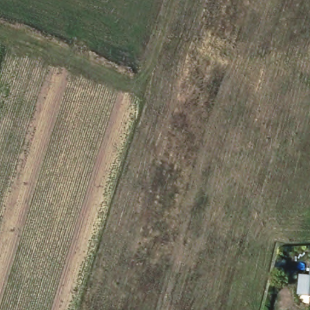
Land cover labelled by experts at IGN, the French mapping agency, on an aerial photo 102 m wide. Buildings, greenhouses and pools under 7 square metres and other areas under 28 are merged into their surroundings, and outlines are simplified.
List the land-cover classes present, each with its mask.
<instances>
[{"label":"agricultural land","instance_id":"1","mask_svg":"<svg viewBox=\"0 0 310 310\"><path fill-rule=\"evenodd\" d=\"M310 242V0H0V310H274L281 291L280 288L272 287L268 280L270 270L276 268L277 262L283 243Z\"/></svg>","mask_w":310,"mask_h":310},{"label":"herbaceous vegetation","instance_id":"2","mask_svg":"<svg viewBox=\"0 0 310 310\"><path fill-rule=\"evenodd\" d=\"M305 256V253H299L286 263L277 262L276 268L285 271L288 282L291 283L281 291L274 310H310V303H304L297 292L298 276L306 274V268L304 263L298 264V260Z\"/></svg>","mask_w":310,"mask_h":310},{"label":"brushwood","instance_id":"3","mask_svg":"<svg viewBox=\"0 0 310 310\"><path fill-rule=\"evenodd\" d=\"M299 253H305V256L298 260V264L304 263L306 268L310 266V242L283 243L277 262L286 263Z\"/></svg>","mask_w":310,"mask_h":310},{"label":"building","instance_id":"4","mask_svg":"<svg viewBox=\"0 0 310 310\"><path fill-rule=\"evenodd\" d=\"M297 292L304 303H310V266L306 268V274L298 276Z\"/></svg>","mask_w":310,"mask_h":310},{"label":"deciduous trees","instance_id":"5","mask_svg":"<svg viewBox=\"0 0 310 310\"><path fill-rule=\"evenodd\" d=\"M268 280L272 287L280 288L281 291L291 283L288 282L285 271L276 268L270 270Z\"/></svg>","mask_w":310,"mask_h":310}]
</instances>
